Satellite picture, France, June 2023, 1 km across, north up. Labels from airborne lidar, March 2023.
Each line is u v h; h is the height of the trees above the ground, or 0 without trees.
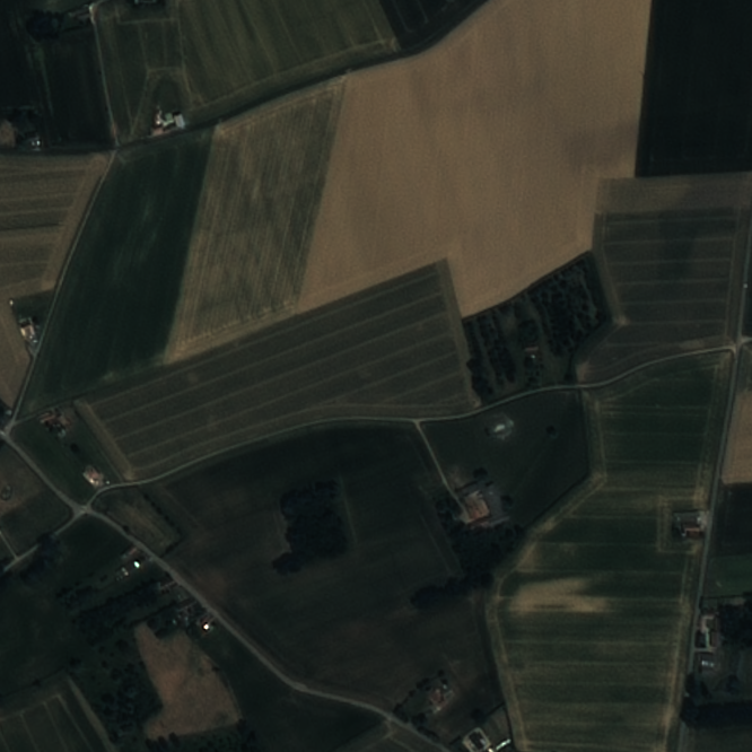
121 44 0
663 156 0
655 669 0
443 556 0
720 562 0
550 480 0
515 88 0
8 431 0
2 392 0
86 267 0
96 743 0
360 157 0
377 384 0
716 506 0
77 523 0
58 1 0
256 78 0
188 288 0
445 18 0
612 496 0
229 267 0
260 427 0
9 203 0
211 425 0
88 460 0
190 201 0
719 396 0
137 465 0
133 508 0
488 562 17
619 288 0
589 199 0
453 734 0
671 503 0
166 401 0
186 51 0
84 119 0
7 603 0
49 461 0
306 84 0
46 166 0
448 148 0
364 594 0
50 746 0
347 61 0
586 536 0
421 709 0
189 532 0
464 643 0
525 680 0
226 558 0
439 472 0
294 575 0
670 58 0
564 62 0
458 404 0
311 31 0
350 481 0
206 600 0
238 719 0
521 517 0
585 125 0
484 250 0
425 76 0
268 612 0
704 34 0
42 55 0
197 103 0
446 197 0
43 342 0
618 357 0
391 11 0
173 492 0
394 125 0
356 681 0
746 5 0
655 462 0
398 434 0
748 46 0
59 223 0
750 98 0
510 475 0
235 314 0
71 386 0
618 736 0
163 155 0
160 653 0
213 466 0
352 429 0
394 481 0
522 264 0
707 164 0
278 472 0
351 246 0
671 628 0
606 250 0
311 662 0
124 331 0
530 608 0
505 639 0
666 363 0
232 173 0
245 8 0
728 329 0
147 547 0
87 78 0
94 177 0
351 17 0
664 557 0
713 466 0
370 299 0
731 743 0
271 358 0
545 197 0
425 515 0
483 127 0
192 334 0
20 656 0
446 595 10
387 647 0
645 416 0
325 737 0
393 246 0
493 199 0
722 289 0
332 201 0
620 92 0
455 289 0
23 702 0
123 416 0
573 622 0
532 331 5
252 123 0
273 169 0
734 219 0
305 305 0
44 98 0
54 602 0
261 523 0
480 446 0
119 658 0
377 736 0
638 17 0
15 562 0
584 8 0
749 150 0
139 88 0
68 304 0
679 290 0
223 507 0
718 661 0
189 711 0
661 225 0
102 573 0
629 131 0
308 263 0
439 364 0
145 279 0
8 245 0
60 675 0
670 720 0
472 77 0
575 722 0
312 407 0
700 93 0
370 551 0
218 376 0
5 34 0
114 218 0
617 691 0
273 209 0
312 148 0
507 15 0
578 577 0
